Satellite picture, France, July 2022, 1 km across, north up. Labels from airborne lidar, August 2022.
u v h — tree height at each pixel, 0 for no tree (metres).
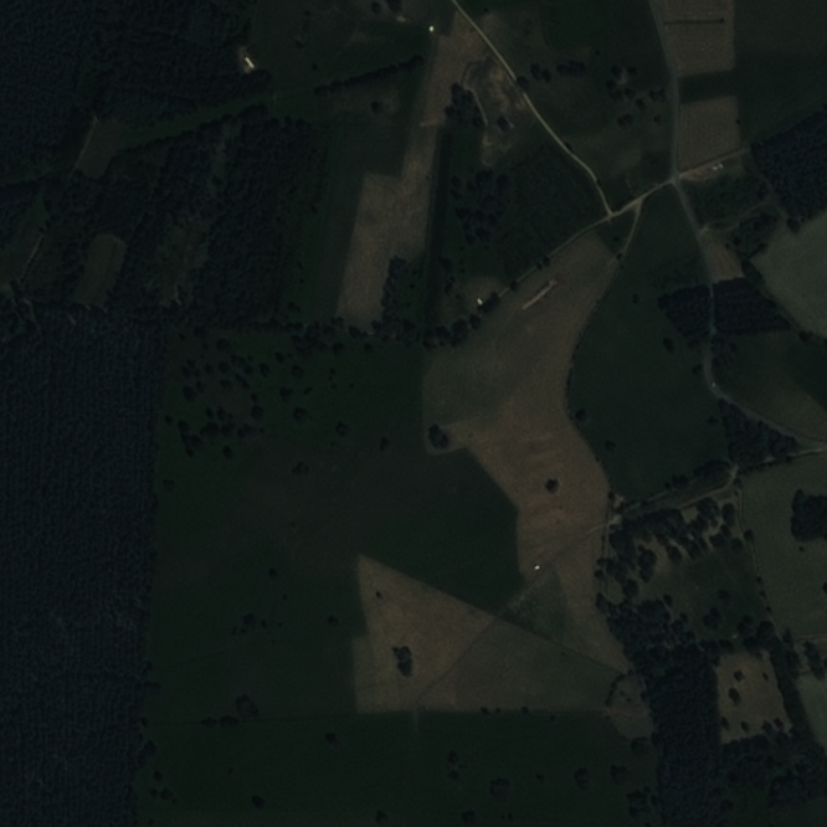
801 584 0
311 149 7
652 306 0
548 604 0
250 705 7
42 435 24
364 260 0
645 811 13
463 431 0
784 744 23
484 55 0
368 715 0
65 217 13
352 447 0
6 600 21
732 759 25
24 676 23
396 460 0
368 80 13
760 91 0
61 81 26
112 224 11
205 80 15
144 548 22
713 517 20
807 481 0
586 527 0
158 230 13
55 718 27
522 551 0
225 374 13
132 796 15
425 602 0
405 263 12
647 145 0
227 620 0
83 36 26
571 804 0
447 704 0
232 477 0
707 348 0
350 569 0
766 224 14
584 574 0
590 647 0
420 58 11
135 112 26
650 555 19
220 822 0
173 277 0
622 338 0
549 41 0
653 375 0
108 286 0
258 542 0
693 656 22
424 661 0
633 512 0
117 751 27
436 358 0
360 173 0
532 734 0
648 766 0
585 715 0
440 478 0
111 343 24
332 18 0
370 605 0
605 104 0
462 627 0
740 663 0
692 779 29
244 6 8
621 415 0
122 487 24
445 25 0
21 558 26
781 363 0
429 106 0
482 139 0
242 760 0
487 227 17
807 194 23
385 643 0
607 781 0
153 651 0
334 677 0
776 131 0
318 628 0
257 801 17
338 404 0
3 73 24
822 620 0
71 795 27
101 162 0
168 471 0
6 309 16
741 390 0
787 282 0
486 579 0
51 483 16
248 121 15
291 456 0
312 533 0
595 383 0
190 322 17
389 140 0
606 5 0
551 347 0
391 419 0
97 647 26
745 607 0
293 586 0
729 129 0
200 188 28
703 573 0
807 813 0
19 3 21
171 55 16
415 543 0
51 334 18
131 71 13
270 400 0
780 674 20
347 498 0
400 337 10
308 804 0
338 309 0
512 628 0
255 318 9
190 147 14
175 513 0
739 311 24
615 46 0
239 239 15
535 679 0
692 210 0
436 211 0
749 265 15
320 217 0
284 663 0
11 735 24
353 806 0
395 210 0
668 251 0
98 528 27
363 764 0
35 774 24
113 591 22
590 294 0
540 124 0
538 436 0
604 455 0
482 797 0
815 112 0
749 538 11
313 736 0
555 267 0
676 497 0
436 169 0
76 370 27
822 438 0
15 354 26
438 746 0
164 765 0
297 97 0
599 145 0
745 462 15
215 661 0
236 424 15
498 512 0
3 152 24
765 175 19
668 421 0
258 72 11
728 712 0
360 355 0
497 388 0
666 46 0
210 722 13
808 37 0
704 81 0
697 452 0
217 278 18
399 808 0
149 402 24
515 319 0
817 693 0
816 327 0
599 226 0
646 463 0
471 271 0
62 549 26
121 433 27
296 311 10
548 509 0
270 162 16
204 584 0
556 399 0
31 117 25
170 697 0
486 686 0
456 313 0
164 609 0
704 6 0
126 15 17
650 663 15
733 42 0
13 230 23
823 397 0
